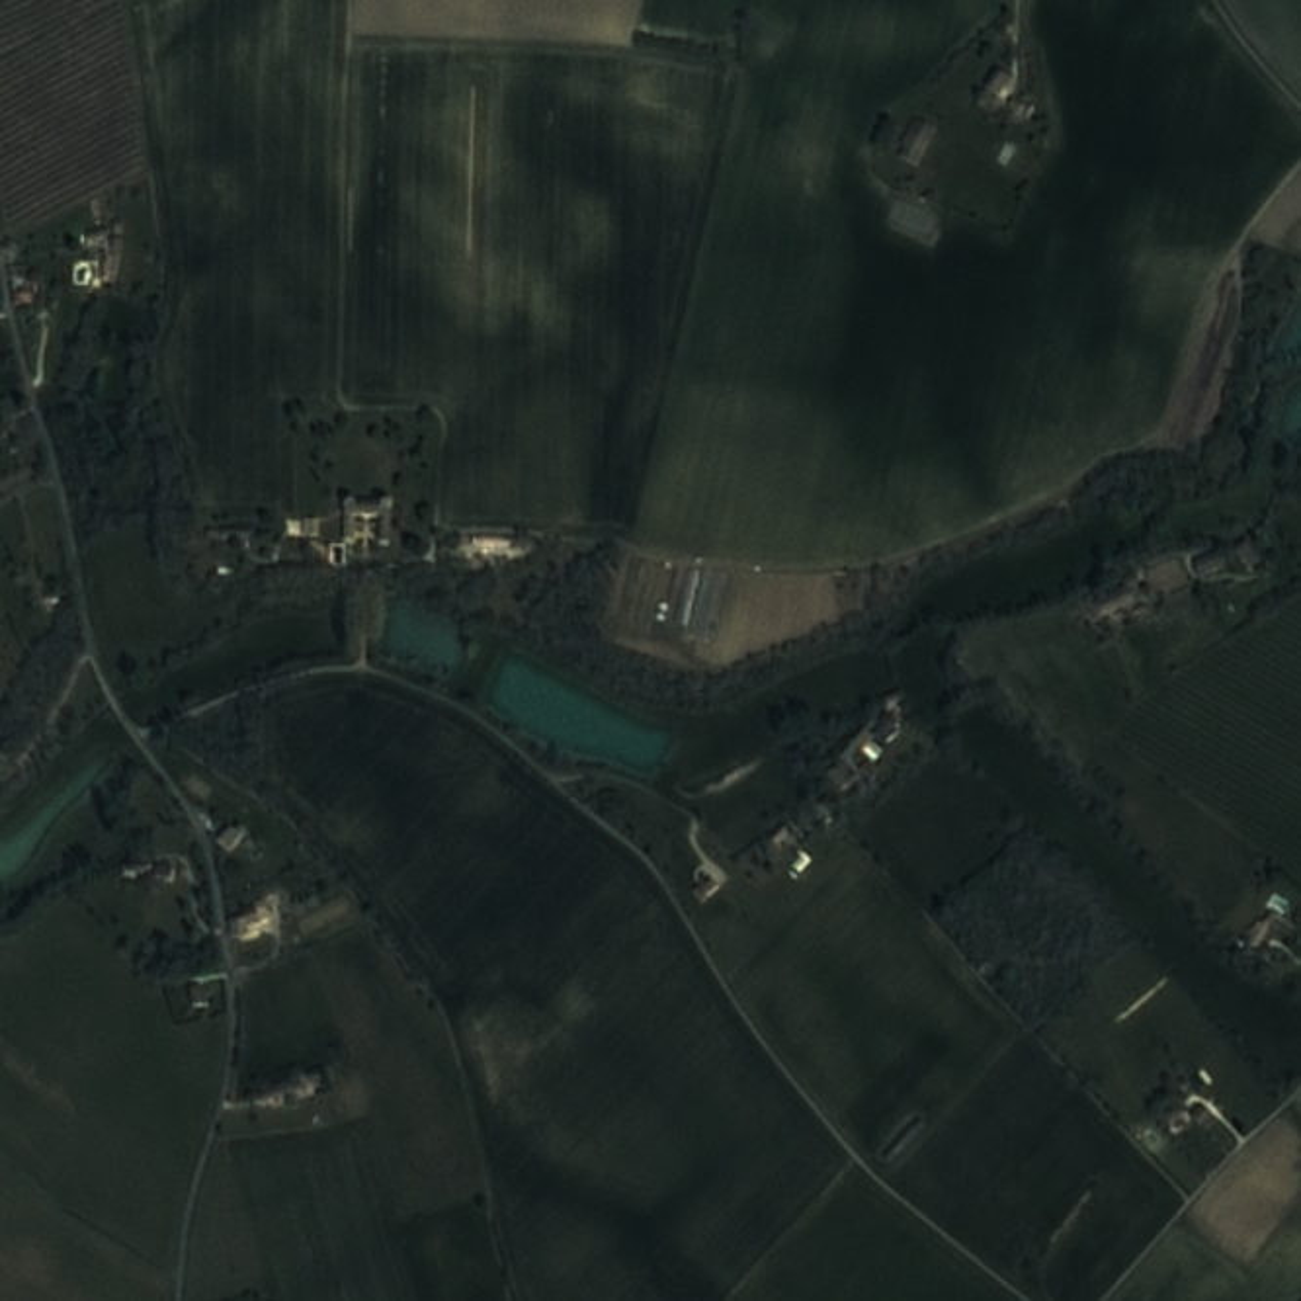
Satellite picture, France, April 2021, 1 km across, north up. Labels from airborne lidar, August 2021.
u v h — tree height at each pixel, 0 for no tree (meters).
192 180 0
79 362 21
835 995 0
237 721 6
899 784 10
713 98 0
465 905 0
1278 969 13
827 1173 0
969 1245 0
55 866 0
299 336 0
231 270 0
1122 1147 0
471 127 0
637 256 0
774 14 0
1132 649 0
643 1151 0
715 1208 0
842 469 0
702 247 0
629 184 0
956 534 0
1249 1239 0
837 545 0
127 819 14
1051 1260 0
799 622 0
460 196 0
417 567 8
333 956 0
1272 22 0
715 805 0
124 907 0
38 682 17
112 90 6
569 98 0
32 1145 0
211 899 8
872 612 13
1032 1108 0
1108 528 0
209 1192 0
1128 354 0
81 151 6
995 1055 0
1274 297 13
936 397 0
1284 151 0
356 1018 0
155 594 0
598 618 13
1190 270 0
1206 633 0
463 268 0
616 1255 0
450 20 0
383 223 0
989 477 0
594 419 0
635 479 0
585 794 11
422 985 9
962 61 6
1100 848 0
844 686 0
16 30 5
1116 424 0
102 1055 0
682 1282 0
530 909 0
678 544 0
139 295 6
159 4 0
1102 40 0
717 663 0
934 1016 0
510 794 0
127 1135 0
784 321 0
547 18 0
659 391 0
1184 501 14
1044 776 0
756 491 0
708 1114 0
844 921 0
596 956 0
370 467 0
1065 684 0
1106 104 0
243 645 0
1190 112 0
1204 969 0
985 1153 0
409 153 0
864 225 0
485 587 16
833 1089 0
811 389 0
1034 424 0
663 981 0
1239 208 0
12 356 8
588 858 0
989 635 0
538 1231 0
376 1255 0
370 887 0
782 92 0
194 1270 0
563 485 0
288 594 24
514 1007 0
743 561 0
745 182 0
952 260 0
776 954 0
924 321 0
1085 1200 0
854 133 0
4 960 0
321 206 0
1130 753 0
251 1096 9
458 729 0
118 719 0
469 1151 0
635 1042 0
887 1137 0
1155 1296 0
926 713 8
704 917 0
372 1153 0
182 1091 0
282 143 0
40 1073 0
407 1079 0
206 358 0
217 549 10
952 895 12
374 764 0
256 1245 0
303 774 0
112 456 25
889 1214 0
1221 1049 0
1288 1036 0
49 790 0
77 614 17
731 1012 0
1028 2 0
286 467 0
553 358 0
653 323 0
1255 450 22
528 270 0
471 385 0
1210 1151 0
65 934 0
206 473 0
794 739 25
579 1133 0
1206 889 0
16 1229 0
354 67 0
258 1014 0
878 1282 0
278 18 0
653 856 10
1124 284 0
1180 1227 0
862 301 0
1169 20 0
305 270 0
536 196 0
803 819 12
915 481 0
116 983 0
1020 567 0
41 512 0
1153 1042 0
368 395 0
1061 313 0
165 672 7
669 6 0
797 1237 0
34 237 7
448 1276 0
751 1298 0
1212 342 0
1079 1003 8
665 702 16
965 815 0
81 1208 0
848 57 0
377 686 0
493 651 0
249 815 0
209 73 0
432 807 0
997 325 0
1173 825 0
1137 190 0
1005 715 23
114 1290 0
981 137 0
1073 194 0
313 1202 0
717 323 0
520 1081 0
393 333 0
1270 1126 0
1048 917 8
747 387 0
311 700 0
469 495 0
